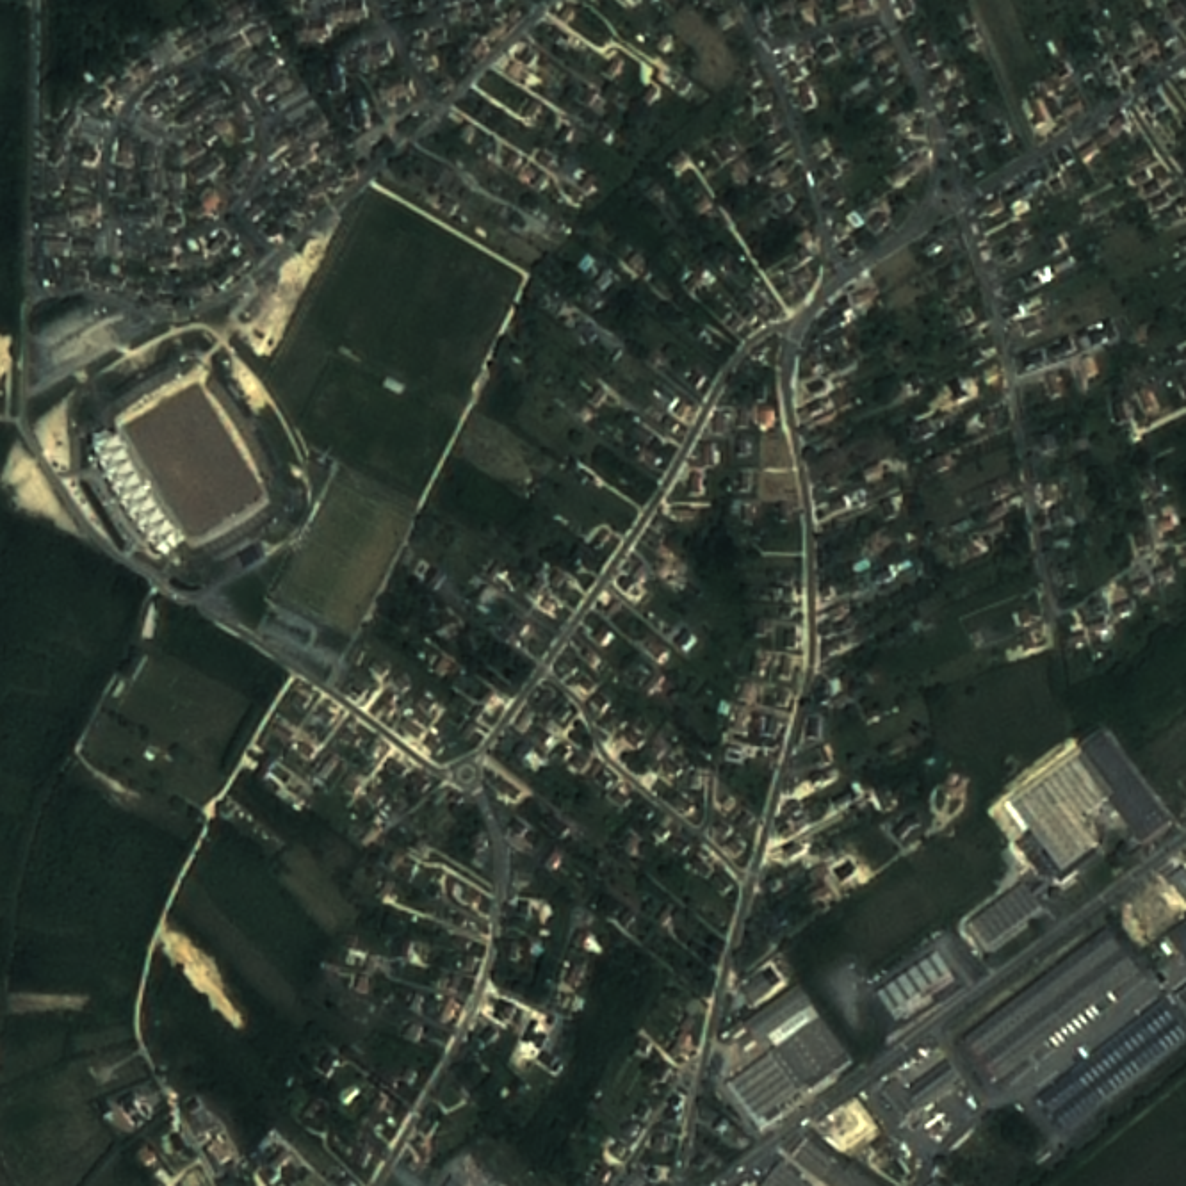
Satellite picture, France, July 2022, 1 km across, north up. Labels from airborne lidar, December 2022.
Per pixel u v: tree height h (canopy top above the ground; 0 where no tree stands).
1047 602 0
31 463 0
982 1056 0
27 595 6
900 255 0
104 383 0
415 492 0
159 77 0
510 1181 0
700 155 6
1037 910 0
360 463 0
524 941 7
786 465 0
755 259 7
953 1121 0
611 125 11
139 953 5
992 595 0
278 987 0
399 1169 0
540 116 6
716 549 18
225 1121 0
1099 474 9
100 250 0
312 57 9
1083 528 9
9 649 8
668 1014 0
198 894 0
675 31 0
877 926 0
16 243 7
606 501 0
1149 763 0
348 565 0
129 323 0
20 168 6
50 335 0
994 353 0
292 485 0
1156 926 0
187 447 0
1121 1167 0
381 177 6
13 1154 0
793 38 0
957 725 0
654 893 14
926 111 0
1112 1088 0
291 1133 0
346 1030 0
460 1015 0
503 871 0
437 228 0
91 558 7
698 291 7
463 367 0
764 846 0
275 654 0
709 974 9
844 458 0
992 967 11
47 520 0
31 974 8
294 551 0
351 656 0
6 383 0
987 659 0
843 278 0
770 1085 0
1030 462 8
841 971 0
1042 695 0
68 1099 0
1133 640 0
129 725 9
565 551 12
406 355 0
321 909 0
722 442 0
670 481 0
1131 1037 0
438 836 0
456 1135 0
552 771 11
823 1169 0
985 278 0
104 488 0
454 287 0
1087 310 0
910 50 0
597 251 7
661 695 0
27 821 5
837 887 0
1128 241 0
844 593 0
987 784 0
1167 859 0
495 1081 14
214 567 0
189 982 6
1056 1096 0
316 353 0
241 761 0
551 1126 8
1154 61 8
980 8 0
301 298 0
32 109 0
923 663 0
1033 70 0
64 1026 9
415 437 0
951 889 0
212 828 6
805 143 0
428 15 7
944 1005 0
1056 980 0
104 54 11
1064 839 0
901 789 9
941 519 0
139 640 0
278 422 0
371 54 0
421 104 0
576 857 9
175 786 0
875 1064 0
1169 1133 0
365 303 0
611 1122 0
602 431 7
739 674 7
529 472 0
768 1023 0
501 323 0
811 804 6
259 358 0
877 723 0
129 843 7
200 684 0
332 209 0
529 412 0
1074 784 0
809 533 0
